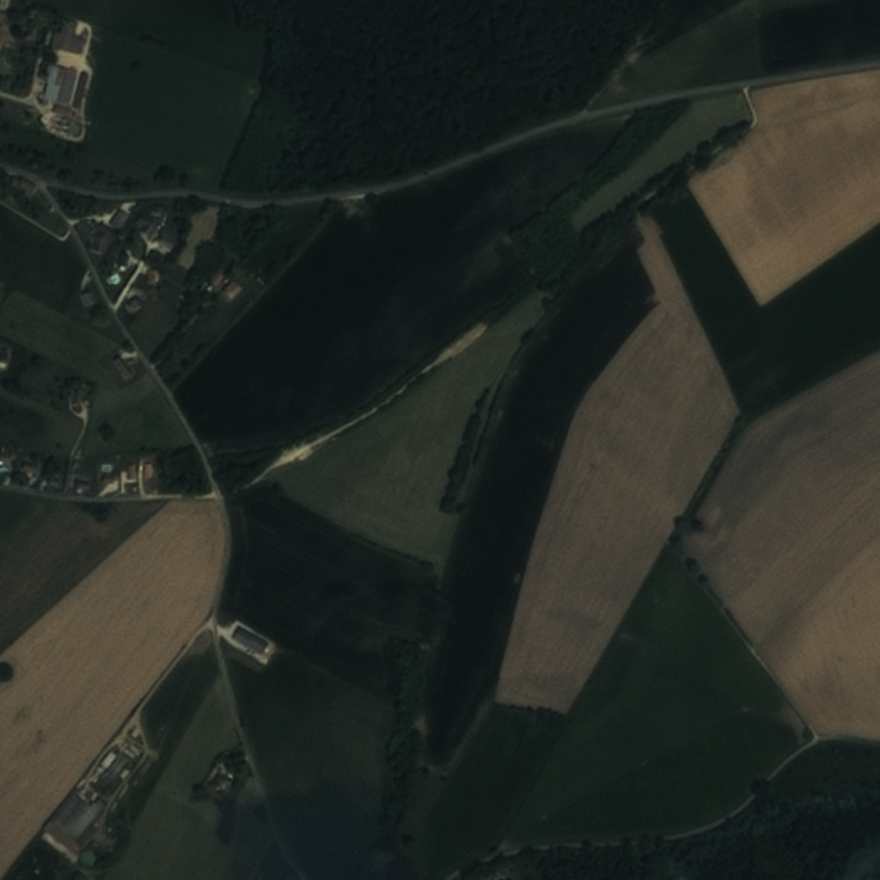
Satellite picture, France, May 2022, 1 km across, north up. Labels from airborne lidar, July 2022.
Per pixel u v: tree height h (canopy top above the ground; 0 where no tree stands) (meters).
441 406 0
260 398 0
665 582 0
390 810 11
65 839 0
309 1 27
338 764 0
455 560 0
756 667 0
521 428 0
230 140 0
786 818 18
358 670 0
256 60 0
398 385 6
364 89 30
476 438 13
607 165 12
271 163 15
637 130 13
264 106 13
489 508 0
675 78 0
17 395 10
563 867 16
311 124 25
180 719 0
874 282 0
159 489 0
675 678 0
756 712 0
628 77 0
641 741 0
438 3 32
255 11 22
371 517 0
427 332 0
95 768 0
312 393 0
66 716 0
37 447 0
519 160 0
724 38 0
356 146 27
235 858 0
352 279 0
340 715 0
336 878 0
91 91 0
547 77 22
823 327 0
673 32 0
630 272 0
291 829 0
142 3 0
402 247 0
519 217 0
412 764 20
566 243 18
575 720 0
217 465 9
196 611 0
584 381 0
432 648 0
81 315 0
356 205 0
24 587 0
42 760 0
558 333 0
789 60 0
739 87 0
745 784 0
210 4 0
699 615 0
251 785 0
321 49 30
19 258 0
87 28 0
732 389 0
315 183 19
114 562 0
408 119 25
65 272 0
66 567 0
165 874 0
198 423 0
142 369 0
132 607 0
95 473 0
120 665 0
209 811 0
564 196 10
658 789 0
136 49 0
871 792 22
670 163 0
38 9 7
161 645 0
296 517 0
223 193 12
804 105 0
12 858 0
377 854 8
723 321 0
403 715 12
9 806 0
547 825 0
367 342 0
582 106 19
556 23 28
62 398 8
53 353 0
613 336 0
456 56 33
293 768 0
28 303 0
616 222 15
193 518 0
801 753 0
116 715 0
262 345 0
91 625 0
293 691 0
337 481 0
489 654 0
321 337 0
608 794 0
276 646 0
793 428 0
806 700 0
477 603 0
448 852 0
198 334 0
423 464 0
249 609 0
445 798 0
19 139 0
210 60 0
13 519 0
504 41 24
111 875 0
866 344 0
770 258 0
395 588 0
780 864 6
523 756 0
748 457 0
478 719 0
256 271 0
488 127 32
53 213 0
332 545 0
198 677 0
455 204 0
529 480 0
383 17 32
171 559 0
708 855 18
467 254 0
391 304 0
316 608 0
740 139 15
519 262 0
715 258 0
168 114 0
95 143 0
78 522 0
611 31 31
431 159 29
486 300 0
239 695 0
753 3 0
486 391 7
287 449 7
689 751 0
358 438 0
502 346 0
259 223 17
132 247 10
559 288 14
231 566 0
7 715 0
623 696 0
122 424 0
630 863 8
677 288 0
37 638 0
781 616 0
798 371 0
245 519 0
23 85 7
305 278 0
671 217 0
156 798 0
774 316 0
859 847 23
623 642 0
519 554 0
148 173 0
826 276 0
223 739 0
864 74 0
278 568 0
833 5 0
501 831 0
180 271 0
